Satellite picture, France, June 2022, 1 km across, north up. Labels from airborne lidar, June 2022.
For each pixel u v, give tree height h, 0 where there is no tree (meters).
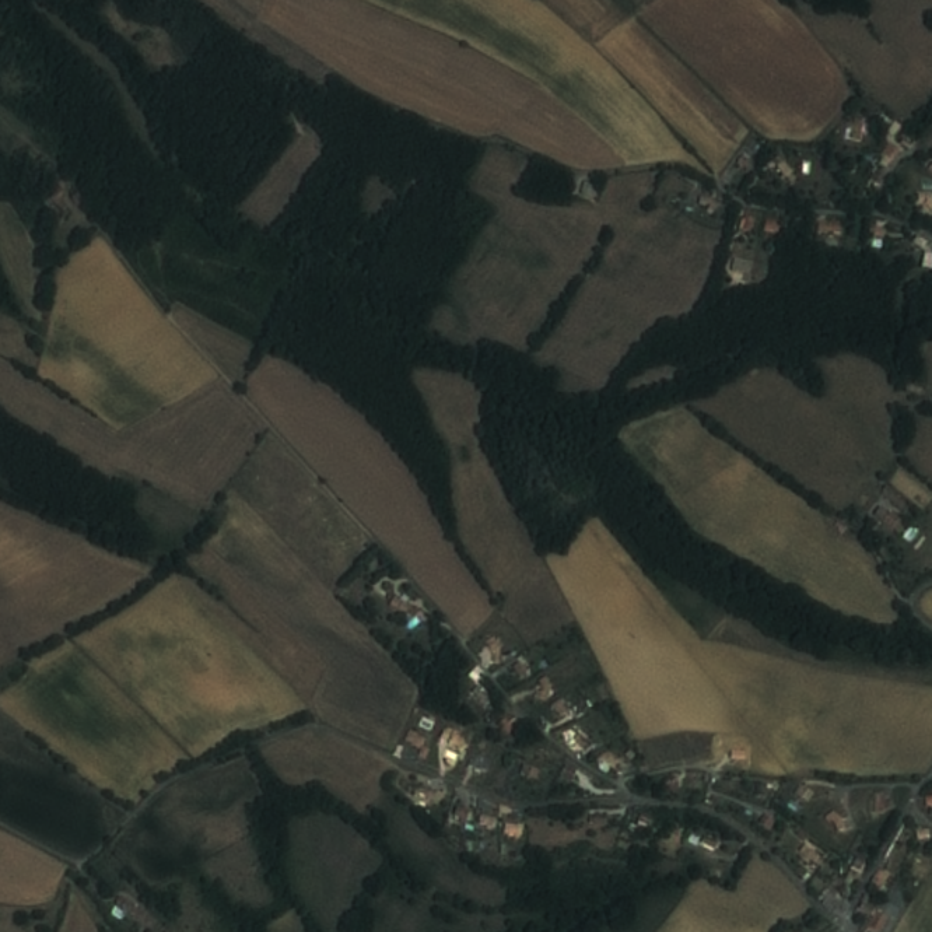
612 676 0
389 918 0
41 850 0
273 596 0
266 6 0
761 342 24
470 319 0
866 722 0
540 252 0
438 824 11
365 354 16
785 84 0
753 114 0
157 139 19
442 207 14
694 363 21
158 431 0
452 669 17
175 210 19
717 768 0
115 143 16
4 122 0
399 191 10
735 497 0
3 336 0
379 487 0
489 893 0
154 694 0
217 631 0
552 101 0
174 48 0
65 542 0
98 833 0
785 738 0
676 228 0
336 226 15
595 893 8
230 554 0
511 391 23
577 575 0
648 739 0
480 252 0
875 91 0
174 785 0
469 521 0
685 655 0
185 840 0
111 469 0
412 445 12
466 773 0
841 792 0
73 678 0
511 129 0
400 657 8
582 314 0
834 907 0
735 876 13
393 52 0
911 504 6
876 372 0
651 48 0
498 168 0
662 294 0
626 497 23
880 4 0
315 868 0
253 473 0
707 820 14
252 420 0
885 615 0
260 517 0
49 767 0
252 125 13
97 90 18
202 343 0
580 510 9
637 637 0
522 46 0
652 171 7
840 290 15
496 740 11
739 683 0
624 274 0
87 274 0
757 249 0
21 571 0
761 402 0
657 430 0
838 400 0
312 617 0
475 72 0
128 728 0
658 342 10
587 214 0
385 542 0
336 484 0
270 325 20
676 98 0
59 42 17
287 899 6
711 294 17
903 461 11
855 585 0
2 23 9
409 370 19
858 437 0
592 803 8
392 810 0
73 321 0
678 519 17
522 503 14
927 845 9
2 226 0
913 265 13
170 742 0
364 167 18
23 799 0
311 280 13
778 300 15
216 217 20
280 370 0
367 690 0
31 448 17
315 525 0
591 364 0
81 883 13
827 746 0
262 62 13
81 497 19
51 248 15
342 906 0
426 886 10
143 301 0
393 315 19
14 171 8
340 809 16
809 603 12
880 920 0
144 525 9
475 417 0
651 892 7
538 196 13
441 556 0
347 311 17
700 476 0
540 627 0
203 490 0
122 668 0
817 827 0
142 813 0
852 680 0
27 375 12
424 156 17
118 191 13
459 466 0
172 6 12
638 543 14
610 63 0
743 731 0
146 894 8
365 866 0
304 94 8
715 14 0
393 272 20
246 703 0
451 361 22
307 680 0
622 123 0
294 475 0
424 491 10
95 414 7
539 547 9
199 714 0
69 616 0
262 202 0
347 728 0
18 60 8
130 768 0
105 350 0
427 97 0
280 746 0
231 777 0
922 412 11
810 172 0
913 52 0
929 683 0
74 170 17
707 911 0
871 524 13
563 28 0
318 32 0
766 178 9
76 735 0
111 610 13
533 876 9
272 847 6
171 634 0
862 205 14
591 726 0
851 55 0
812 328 19
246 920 9
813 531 0
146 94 22
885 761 0
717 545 11
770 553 0
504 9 0
